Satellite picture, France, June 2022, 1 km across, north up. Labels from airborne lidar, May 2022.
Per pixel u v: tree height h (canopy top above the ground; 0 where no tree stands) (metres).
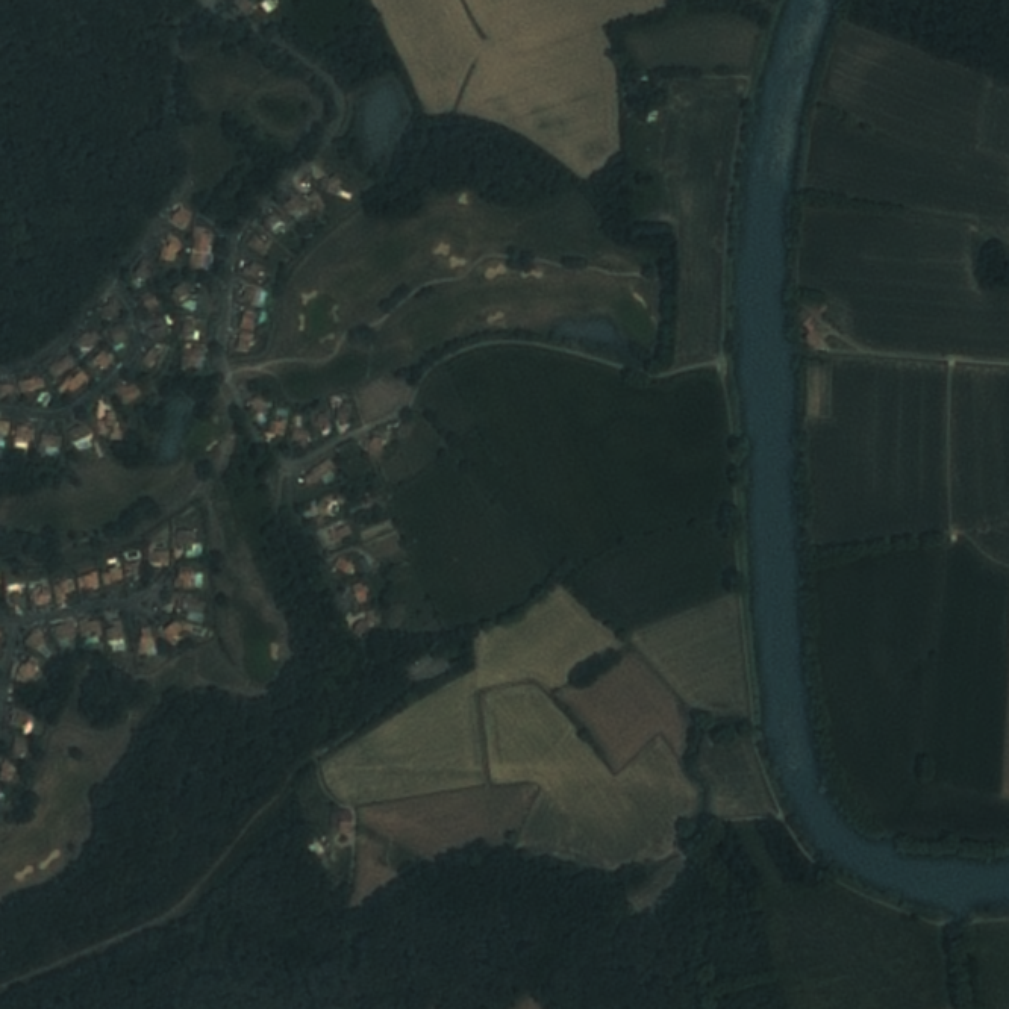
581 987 29
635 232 20
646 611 0
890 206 14
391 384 0
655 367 17
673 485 0
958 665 0
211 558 11
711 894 23
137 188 27
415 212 6
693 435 0
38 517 0
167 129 22
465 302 0
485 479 0
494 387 0
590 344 9
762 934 12
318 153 16
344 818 0
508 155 23
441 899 21
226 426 0
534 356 0
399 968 23
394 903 20
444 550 0
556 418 0
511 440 0
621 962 23
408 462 0
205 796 24
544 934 24
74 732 0
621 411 0
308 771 10
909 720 0
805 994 0
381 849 0
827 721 20
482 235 0
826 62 10
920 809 0
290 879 19
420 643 15
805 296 16
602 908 23
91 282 22
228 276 19
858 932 0
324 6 0
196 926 22
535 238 0
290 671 14
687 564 0
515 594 0
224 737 7
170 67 20
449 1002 25
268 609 0
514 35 0
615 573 0
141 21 21
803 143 9
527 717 0
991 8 16
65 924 19
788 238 16
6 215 18
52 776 0
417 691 17
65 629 0
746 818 0
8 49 21
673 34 0
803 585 11
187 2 25
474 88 0
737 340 14
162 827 25
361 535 0
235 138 9
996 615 0
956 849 20
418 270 0
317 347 0
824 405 0
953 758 0
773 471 0
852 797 21
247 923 18
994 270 15
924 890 0
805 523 22
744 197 7
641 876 11
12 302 24
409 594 0
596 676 17
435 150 24
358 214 0
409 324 0
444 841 0
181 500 0
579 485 0
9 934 22
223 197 19
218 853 18
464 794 0
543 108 0
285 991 19
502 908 23
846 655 0
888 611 0
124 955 24
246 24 17
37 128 28
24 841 0
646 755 0
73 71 24
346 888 11
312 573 20
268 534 10
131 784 24
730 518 24
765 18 12
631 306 0
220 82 0
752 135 8
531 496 0
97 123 21
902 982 0
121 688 22
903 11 25
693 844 24
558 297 0
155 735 15
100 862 17
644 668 0
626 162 14
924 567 0
